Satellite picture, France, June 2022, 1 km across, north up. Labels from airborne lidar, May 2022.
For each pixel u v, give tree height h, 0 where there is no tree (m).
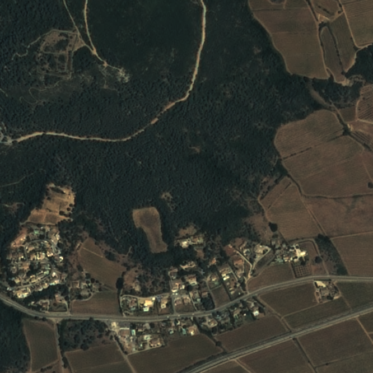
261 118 9
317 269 0
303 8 0
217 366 0
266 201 0
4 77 16
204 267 21
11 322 12
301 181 0
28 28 9
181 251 21
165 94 15
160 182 15
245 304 15
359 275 0
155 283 18
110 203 11
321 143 0
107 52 12
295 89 7
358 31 0
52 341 0
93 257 0
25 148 6
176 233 16
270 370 0
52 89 0
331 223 0
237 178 6
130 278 0
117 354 0
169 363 0
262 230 0
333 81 5
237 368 0
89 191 11
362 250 0
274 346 0
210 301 16
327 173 0
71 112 18
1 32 12
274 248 6
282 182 0
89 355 0
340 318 0
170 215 17
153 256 13
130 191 17
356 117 0
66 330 0
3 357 11
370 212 0
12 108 17
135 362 0
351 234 0
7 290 6
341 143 0
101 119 16
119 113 13
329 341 0
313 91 0
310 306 0
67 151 6
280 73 9
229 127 17
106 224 7
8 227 6
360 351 0
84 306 0
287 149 0
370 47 11
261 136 9
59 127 16
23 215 9
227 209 7
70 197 0
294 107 7
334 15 0
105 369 0
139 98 20
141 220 0
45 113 16
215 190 13
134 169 14
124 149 14
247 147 6
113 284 0
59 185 11
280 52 0
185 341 0
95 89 13
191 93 16
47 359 0
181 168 16
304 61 0
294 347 0
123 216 18
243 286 14
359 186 0
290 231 0
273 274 0
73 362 0
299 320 0
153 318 0
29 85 14
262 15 0
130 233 6
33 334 0
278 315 0
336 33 0
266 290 0
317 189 0
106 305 0
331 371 0
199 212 15
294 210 0
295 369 0
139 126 17
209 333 6
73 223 6
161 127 13
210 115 16
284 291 0
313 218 0
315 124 0
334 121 0
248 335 0
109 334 8
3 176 6
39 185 8
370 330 0
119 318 0
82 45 0
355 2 0
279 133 0
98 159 12
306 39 0
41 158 9
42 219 0
